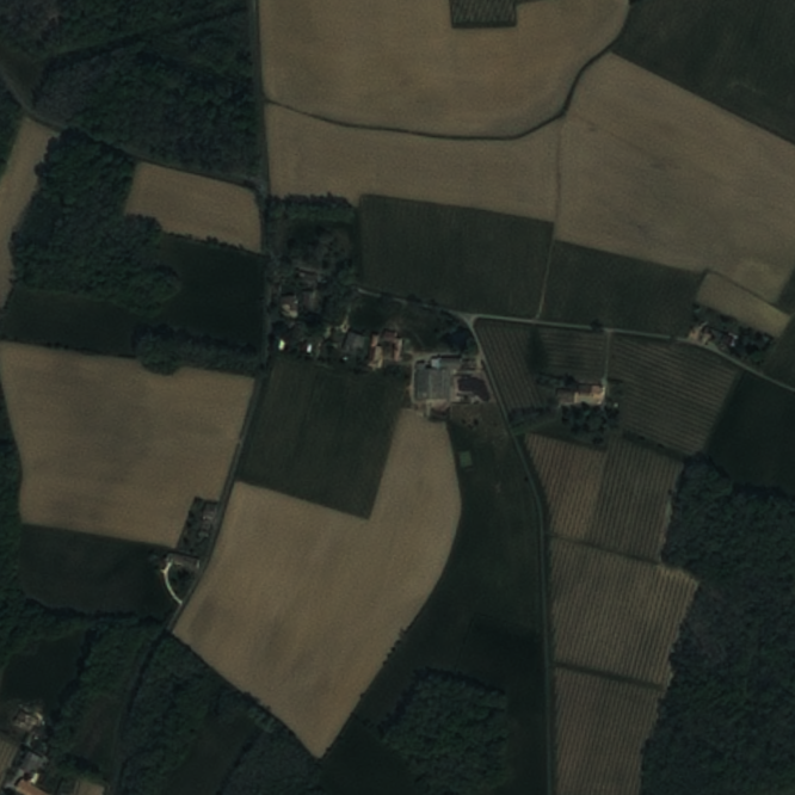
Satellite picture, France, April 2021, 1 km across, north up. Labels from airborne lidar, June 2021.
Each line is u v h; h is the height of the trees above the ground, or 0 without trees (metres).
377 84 0
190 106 25
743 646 18
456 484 0
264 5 0
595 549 0
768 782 21
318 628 0
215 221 0
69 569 0
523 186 0
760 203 0
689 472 19
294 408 0
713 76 0
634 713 0
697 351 0
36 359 0
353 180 0
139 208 0
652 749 18
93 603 0
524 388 0
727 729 21
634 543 0
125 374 0
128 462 0
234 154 18
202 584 0
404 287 0
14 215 0
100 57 20
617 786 0
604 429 11
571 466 0
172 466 0
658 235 0
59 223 19
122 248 20
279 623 0
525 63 0
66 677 0
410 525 0
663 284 0
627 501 0
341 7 0
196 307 0
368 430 0
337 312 13
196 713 20
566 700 0
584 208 0
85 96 26
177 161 21
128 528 0
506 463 0
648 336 0
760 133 0
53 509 0
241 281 0
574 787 0
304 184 0
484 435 0
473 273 0
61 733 23
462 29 0
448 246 0
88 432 0
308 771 17
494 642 0
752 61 0
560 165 0
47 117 14
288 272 13
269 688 0
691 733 18
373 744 0
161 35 9
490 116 0
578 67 0
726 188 0
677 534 17
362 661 0
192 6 21
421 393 0
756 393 0
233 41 10
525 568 0
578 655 0
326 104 0
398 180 0
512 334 0
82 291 18
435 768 23
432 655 0
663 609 0
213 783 0
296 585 0
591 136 0
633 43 0
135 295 18
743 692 19
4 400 8
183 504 0
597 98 0
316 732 0
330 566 0
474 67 0
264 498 0
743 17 0
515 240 0
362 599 0
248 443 0
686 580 0
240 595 0
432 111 0
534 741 0
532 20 0
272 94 0
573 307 0
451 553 0
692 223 0
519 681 0
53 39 20
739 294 0
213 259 0
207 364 15
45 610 10
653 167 0
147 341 24
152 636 18
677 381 0
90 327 0
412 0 0
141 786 21
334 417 0
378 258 0
